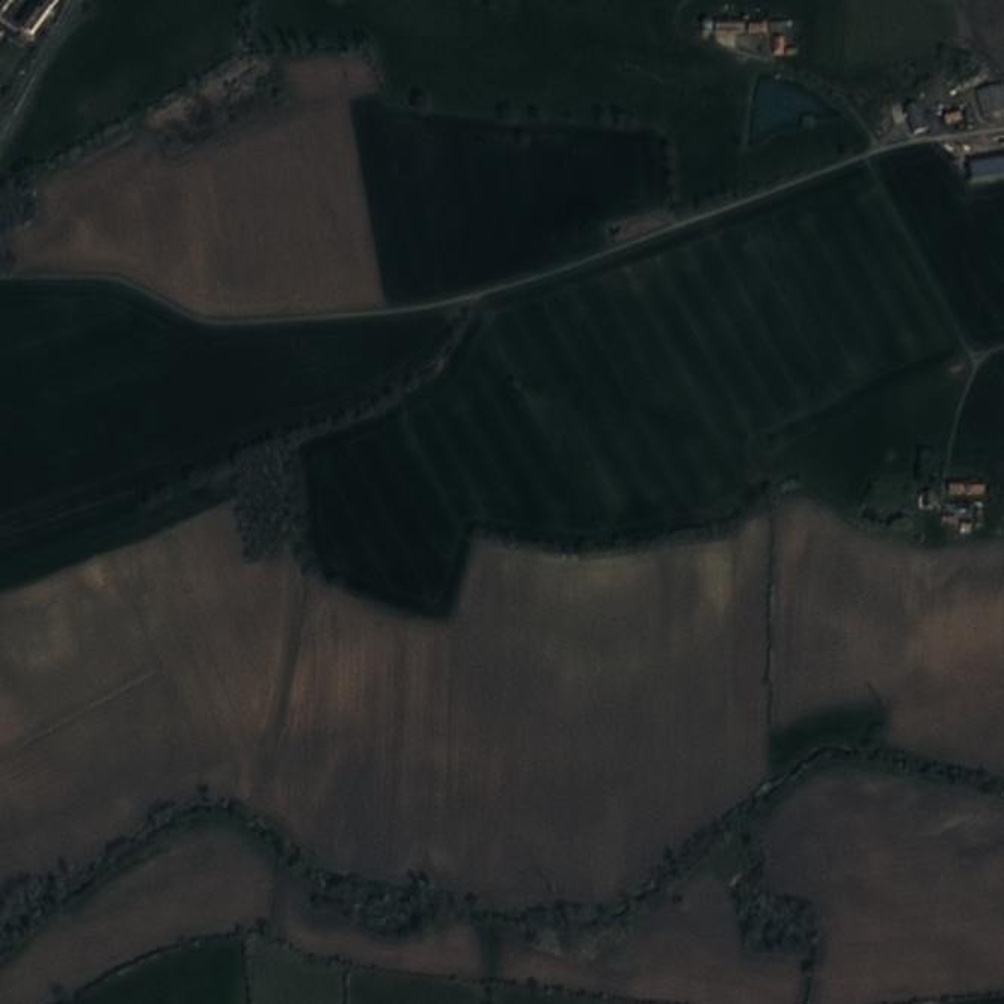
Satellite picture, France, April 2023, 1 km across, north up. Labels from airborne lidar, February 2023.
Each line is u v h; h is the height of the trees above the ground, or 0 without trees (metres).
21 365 0
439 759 0
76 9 0
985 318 0
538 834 0
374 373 0
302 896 0
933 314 0
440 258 0
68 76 0
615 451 0
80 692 0
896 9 0
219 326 0
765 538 0
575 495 0
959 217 0
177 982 0
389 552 0
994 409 0
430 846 0
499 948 0
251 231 0
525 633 0
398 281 0
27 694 0
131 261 0
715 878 0
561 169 0
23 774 0
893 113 0
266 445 14
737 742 0
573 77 0
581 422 0
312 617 0
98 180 0
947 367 0
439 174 0
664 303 0
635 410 0
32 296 0
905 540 0
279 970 0
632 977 0
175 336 0
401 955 0
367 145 0
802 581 0
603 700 0
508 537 14
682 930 0
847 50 0
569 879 0
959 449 0
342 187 0
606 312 0
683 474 0
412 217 0
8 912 25
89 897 0
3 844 0
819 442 0
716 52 0
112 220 0
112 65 0
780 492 9
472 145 0
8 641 0
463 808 0
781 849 0
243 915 0
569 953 19
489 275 0
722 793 0
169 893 0
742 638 0
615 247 0
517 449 0
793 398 0
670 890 15
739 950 0
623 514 0
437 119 0
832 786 0
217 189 0
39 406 0
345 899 20
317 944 0
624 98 0
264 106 0
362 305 0
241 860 0
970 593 0
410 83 0
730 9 0
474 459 0
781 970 0
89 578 0
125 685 0
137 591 0
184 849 0
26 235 0
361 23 0
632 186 0
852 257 0
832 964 0
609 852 0
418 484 0
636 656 0
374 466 0
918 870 0
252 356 0
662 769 0
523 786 0
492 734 0
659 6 0
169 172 0
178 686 0
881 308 0
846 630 0
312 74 0
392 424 0
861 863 0
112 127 9
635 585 0
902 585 0
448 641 0
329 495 0
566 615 0
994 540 0
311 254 0
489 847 0
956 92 0
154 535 0
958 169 0
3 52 0
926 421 0
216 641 0
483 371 0
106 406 0
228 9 0
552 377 0
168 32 0
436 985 0
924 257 0
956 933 0
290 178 0
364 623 0
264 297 0
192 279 0
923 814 0
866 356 0
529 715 0
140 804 0
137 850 15
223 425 0
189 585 0
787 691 0
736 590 0
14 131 0
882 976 0
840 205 0
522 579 0
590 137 0
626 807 0
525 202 0
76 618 0
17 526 0
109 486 0
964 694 0
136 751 0
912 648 0
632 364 0
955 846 0
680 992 0
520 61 0
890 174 0
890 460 0
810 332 0
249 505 14
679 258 0
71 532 0
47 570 0
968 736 0
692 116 0
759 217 0
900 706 0
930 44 0
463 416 0
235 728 0
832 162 0
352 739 0
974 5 0
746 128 0
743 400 0
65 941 0
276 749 0
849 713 0
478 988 0
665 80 0
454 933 0
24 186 23
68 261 0
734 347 0
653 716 0
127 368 0
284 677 0
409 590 0
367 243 0
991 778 11
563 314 0
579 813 0
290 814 0
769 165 0
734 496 0
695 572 0
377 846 0
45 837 0
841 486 0
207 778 0
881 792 0
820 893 0
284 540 16
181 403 0
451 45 0
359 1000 0
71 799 0
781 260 0
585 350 0
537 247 0
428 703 0
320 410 0
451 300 0
